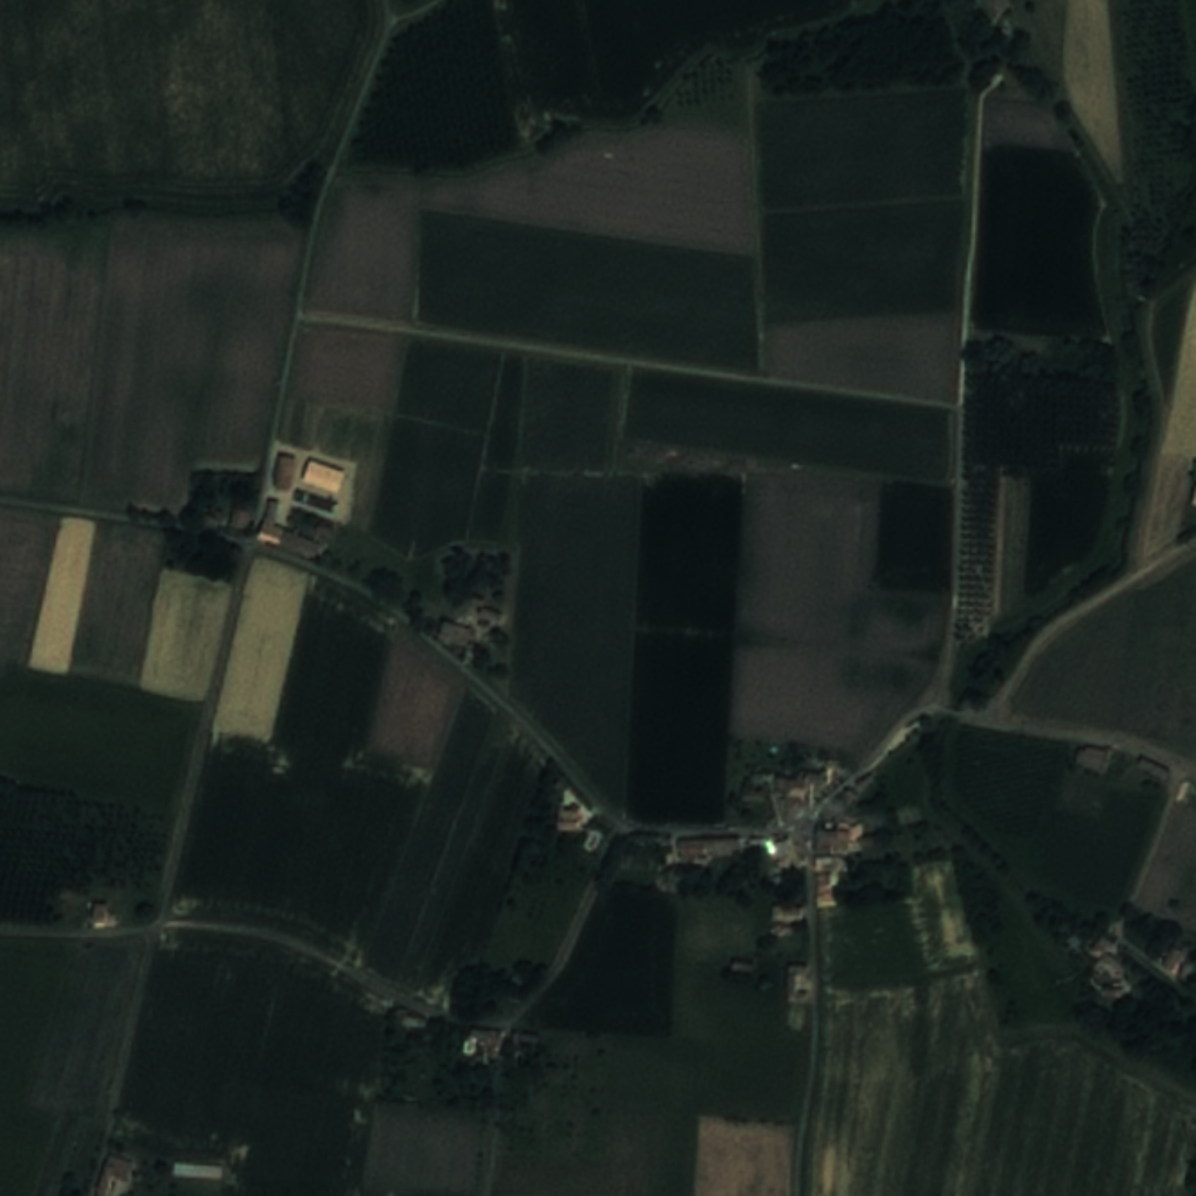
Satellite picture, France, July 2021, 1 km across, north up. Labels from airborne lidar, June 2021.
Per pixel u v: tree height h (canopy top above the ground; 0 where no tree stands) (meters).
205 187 0
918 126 0
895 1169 0
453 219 0
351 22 0
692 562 0
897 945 0
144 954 0
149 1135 0
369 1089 0
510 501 0
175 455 0
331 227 0
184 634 0
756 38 0
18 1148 0
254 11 0
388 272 0
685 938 0
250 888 0
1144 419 12
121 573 0
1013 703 0
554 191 0
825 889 0
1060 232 0
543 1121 0
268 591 0
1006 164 0
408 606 6
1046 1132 0
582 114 0
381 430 0
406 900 0
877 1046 0
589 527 0
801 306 0
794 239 0
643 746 0
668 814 0
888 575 0
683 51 0
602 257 0
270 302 0
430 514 0
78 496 0
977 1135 0
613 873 13
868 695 0
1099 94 0
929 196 0
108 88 0
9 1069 0
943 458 0
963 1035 0
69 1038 0
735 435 0
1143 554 0
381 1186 0
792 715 0
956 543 0
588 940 0
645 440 0
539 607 0
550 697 0
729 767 0
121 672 0
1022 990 0
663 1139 0
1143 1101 0
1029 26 0
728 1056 0
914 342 0
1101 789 0
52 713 0
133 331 0
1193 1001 10
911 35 17
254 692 0
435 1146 0
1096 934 14
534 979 13
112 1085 0
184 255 0
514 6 0
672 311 0
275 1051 0
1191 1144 0
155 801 0
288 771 0
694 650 0
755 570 0
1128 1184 0
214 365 0
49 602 0
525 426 0
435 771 0
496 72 10
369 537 0
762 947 12
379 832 0
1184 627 0
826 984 0
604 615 0
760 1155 0
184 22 0
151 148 0
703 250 0
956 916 0
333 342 0
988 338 0
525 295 0
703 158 0
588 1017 0
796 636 0
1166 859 0
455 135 8
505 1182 0
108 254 0
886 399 0
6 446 0
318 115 0
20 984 0
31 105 0
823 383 0
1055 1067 0
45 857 16
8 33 0
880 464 0
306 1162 0
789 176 0
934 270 0
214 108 0
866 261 0
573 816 0
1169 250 8
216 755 0
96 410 0
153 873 11
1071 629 0
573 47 0
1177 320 0
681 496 0
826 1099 0
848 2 0
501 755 0
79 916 0
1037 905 11
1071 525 0
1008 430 24
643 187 0
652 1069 0
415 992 0
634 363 0
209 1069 0
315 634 0
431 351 0
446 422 0
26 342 0
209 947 0
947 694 0
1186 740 0
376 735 0
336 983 0
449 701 0
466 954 0
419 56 11
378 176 0
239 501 13
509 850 0
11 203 0
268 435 0
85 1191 6
